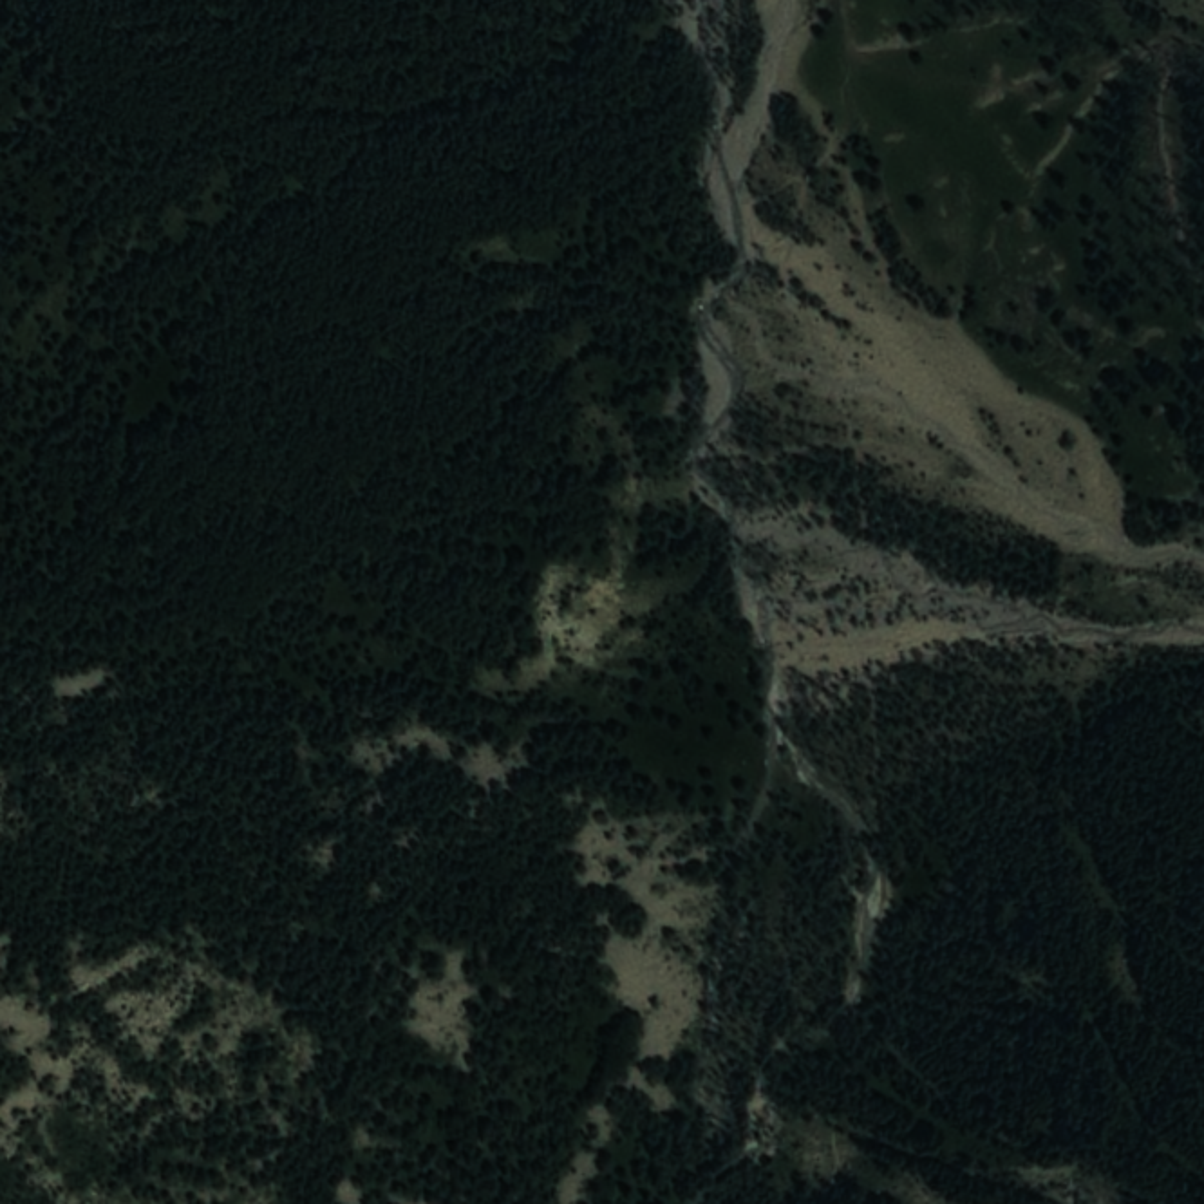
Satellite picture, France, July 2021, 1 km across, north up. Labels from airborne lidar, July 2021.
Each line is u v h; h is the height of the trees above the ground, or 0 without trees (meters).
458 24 30
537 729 12
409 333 28
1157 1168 25
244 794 13
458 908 18
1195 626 0
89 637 24
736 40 13
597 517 21
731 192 0
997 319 0
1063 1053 33
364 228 34
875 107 0
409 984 26
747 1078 15
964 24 0
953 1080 27
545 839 11
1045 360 0
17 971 13
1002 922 19
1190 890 15
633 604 0
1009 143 0
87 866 11
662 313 27
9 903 10
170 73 27
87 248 16
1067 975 21
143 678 18
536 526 27
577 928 10
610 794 15
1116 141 20
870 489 14
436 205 33
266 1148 21
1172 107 0
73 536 22
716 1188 18
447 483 24
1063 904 11
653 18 18
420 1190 20
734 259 14
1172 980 26
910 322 0
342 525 32
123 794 9
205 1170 20
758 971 16
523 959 23
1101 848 26
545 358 14
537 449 26
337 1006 24
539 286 17
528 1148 23
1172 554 0
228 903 13
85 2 25
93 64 24
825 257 0
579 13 30
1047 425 0
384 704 20
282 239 28
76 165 12
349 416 25
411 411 28
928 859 16
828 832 10
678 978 0
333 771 16
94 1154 9
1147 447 0
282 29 24
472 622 24
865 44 0
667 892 0
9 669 21
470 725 24
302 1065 0
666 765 0
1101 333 0
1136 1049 29
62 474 24
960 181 0
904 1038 25
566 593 12
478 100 28
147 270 26
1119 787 28
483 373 25
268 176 28
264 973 16
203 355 17
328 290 29
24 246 18
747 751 0
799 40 0
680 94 33
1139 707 26
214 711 25
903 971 23
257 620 17
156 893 8
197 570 29
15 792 12
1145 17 25
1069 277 0
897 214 0
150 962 9
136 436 28
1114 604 0
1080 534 0
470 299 30
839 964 16
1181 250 0
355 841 21
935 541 13
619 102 28
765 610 0
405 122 27
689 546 27
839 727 12
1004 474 0
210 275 21
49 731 14
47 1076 8
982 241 0
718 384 0
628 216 26
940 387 0
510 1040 17
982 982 25
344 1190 0
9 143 16
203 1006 12
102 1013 9
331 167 31
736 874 25
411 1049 10
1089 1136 18
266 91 29
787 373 0
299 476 26
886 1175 11
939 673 13
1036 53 0
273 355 29
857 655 0
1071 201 0
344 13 27
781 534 0
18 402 7
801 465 15
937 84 0
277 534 31
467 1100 19
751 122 0
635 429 14
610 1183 10
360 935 21
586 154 32
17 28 18
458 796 16
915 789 18
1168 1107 26
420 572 27
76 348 22
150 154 22
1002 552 14
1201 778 28
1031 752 18
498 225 25
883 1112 27
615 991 0
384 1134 10
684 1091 26
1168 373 29
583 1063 0
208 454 27
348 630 20
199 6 25
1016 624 0
